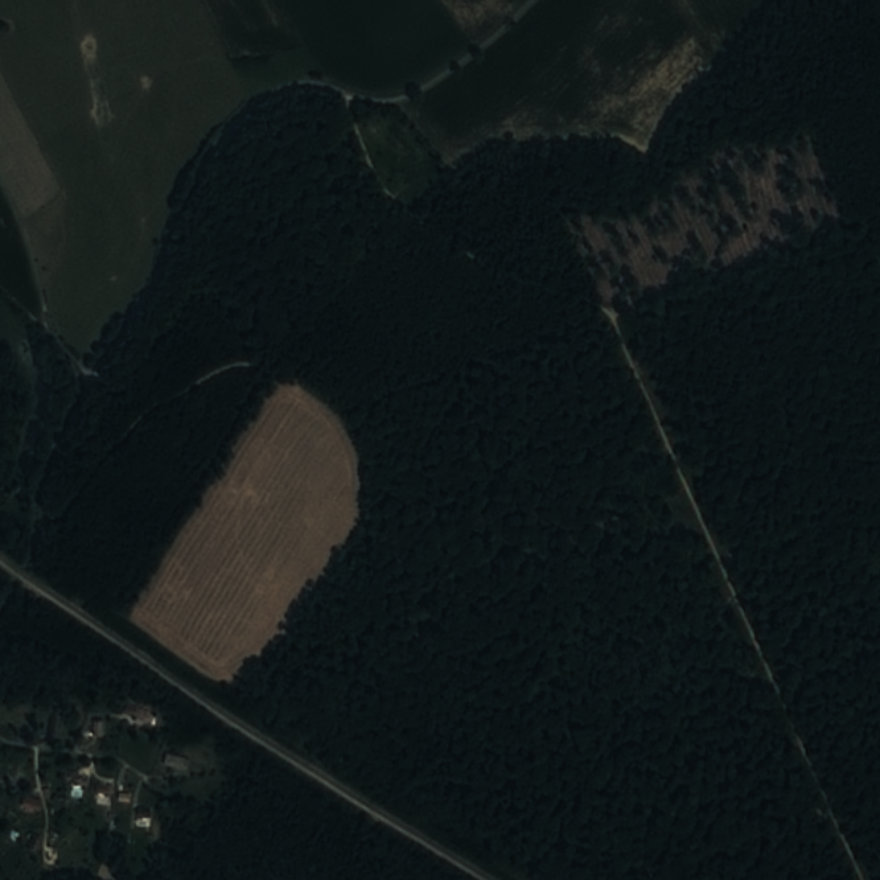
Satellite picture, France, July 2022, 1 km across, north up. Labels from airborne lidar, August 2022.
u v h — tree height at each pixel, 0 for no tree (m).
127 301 0
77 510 19
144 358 18
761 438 21
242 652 0
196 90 0
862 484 25
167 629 0
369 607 24
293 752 6
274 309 27
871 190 14
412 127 12
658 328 21
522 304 15
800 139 26
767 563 26
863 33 19
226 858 17
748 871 21
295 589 0
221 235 23
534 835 25
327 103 28
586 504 23
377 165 0
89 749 0
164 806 10
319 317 17
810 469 24
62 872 14
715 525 21
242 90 0
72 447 18
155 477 6
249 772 14
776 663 14
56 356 19
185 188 17
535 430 29
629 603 22
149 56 0
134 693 14
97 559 15
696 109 24
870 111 17
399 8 0
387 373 16
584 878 17
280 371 16
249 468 0
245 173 21
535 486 26
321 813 19
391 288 13
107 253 0
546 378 27
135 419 9
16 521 10
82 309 0
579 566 24
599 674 24
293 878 18
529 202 16
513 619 26
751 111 24
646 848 18
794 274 22
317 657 26
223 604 0
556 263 14
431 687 27
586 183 25
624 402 23
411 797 24
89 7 0
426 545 29
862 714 24
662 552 25
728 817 24
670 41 0
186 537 0
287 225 23
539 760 28
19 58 0
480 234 15
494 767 23
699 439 25
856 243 21
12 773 0
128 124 0
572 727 26
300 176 25
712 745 23
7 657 24
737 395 24
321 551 0
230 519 0
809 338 14
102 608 6
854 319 21
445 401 18
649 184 24
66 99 0
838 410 27
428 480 23
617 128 0
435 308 12
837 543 24
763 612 25
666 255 21
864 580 24
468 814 26
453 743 23
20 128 0
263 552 0
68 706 21
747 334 20
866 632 11
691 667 25
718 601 20
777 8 24
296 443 0
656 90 0
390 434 23
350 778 13
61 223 0
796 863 21
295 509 0
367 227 18
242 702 21
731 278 20
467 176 18
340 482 0
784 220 24
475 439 11
